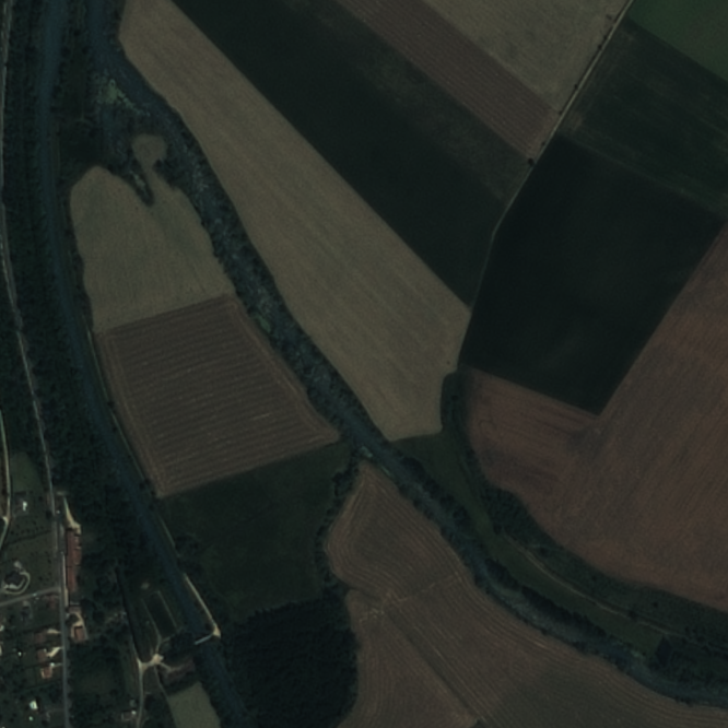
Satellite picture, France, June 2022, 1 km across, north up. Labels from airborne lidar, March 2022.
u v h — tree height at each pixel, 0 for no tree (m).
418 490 0
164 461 0
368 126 0
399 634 0
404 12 0
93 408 0
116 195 0
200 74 0
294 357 20
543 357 0
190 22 0
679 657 16
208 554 0
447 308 0
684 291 0
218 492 0
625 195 0
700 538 0
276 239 0
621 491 0
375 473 0
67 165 6
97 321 0
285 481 0
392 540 0
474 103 0
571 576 0
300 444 0
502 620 0
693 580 0
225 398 0
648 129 0
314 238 0
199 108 0
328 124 0
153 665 0
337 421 13
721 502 0
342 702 13
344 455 0
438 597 0
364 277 0
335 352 0
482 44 0
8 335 16
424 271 0
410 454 0
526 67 0
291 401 0
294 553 0
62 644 0
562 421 0
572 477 0
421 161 0
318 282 0
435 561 0
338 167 0
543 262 0
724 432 0
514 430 0
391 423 0
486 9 0
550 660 0
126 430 0
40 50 0
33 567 0
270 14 0
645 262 0
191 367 0
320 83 0
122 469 0
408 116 0
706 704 0
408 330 0
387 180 0
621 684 0
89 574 0
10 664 0
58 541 0
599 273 0
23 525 0
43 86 0
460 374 0
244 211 0
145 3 0
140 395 0
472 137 0
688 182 0
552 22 0
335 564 0
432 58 0
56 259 0
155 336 0
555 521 0
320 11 0
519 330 0
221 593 0
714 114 0
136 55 0
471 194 0
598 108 0
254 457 0
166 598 0
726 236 0
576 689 0
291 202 0
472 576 0
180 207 0
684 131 0
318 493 0
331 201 0
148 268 0
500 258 0
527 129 0
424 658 0
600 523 0
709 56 0
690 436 0
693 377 0
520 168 0
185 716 0
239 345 0
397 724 0
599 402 0
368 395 0
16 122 16
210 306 0
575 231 0
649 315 0
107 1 13
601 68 0
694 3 0
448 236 0
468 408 0
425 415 0
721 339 0
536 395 0
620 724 0
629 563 0
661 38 0
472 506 0
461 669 0
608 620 0
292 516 0
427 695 0
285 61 0
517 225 0
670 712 0
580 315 0
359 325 0
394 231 0
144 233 0
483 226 0
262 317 0
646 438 0
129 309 0
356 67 0
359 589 0
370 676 0
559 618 20
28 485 0
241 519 0
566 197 0
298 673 0
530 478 0
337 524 0
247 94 0
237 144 0
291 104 0
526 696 0
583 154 0
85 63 0
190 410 0
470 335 0
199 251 0
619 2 0
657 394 0
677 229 0
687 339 0
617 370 0
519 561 0
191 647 13
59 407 8
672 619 0
